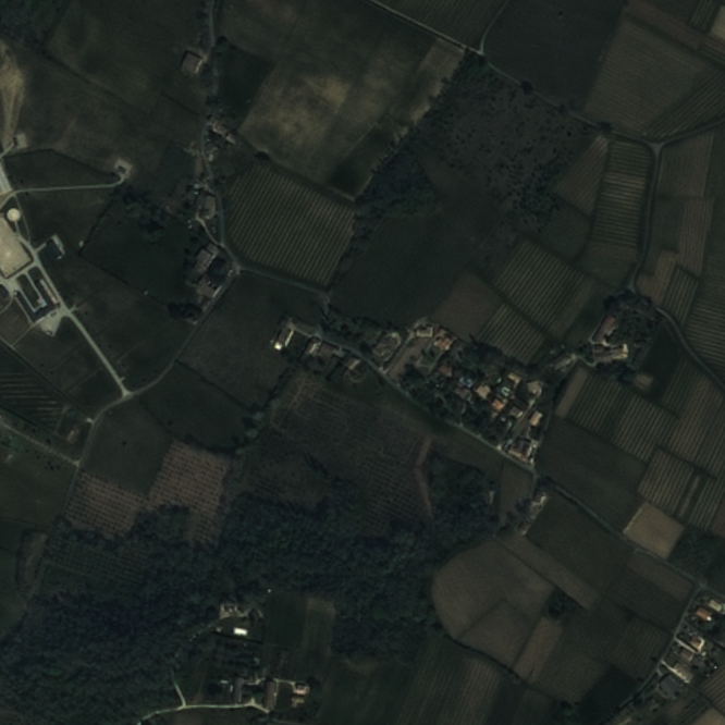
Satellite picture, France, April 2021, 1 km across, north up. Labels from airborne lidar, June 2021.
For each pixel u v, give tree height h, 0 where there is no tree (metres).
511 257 0
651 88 0
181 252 0
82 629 16
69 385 0
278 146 0
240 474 19
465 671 0
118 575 18
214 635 6
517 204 6
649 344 9
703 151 0
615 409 0
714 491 0
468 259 0
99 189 0
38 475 0
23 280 0
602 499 0
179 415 0
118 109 0
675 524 0
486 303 0
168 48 0
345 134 0
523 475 0
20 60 0
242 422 0
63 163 0
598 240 0
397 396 0
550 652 0
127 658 20
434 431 0
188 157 0
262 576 15
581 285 0
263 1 0
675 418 0
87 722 7
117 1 0
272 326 0
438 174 0
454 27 0
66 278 0
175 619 18
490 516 17
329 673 0
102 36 0
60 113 0
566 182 0
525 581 0
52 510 0
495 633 0
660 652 0
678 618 0
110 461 0
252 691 11
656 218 0
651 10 0
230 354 0
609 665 0
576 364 0
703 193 0
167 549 17
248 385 0
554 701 0
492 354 16
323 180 0
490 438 6
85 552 23
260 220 0
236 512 13
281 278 0
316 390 0
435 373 5
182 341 0
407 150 15
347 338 9
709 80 0
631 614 0
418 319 0
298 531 18
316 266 0
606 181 0
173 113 0
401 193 21
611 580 0
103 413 0
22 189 0
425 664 0
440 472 12
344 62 0
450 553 6
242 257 0
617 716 9
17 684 11
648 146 0
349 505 20
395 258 0
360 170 0
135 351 0
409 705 0
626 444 0
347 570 22
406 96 0
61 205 0
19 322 0
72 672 19
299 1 0
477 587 0
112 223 0
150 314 0
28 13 11
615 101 0
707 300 0
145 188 0
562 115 11
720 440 0
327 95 0
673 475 0
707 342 0
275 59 0
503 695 0
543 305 0
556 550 0
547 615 0
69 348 0
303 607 0
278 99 0
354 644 12
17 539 0
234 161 0
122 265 0
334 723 0
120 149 0
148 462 0
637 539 0
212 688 6
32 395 0
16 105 0
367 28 0
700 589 0
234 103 0
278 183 0
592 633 0
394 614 22
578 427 0
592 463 0
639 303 17
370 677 0
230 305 0
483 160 0
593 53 0
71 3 0
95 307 0
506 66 0
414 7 0
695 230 0
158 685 18
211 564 22
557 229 0
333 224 0
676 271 0
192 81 0
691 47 0
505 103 0
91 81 0
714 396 0
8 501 0
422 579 15
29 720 16
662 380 0
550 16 0
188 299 0
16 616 0
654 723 0
